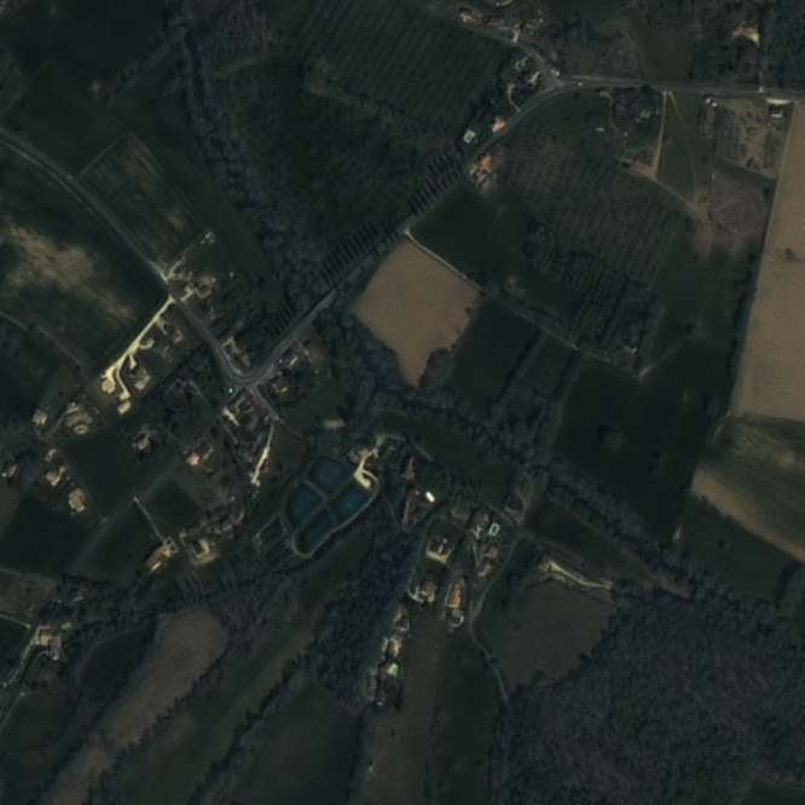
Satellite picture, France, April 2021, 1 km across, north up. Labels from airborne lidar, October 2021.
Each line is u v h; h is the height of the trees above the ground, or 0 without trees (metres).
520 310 23
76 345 0
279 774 0
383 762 0
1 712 17
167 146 0
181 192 0
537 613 0
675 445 0
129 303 0
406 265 0
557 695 18
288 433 14
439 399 24
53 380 0
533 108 0
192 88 12
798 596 25
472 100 12
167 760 0
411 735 0
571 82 0
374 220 7
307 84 24
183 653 0
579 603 0
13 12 0
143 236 0
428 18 8
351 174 10
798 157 0
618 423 0
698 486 0
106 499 0
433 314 0
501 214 0
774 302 0
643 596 12
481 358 0
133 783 0
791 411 0
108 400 0
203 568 0
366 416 20
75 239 0
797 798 0
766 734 21
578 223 14
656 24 14
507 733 18
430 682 0
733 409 0
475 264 0
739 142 7
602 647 8
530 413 0
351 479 0
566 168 16
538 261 29
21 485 13
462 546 6
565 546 0
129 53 0
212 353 6
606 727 16
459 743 0
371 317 0
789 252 7
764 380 0
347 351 29
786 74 22
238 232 0
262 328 13
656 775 21
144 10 0
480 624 0
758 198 0
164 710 0
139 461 8
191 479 0
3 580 0
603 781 13
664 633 21
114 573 0
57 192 0
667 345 0
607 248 20
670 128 0
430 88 13
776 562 0
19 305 0
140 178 0
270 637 0
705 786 23
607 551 0
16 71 8
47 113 0
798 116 0
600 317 16
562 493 25
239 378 0
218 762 0
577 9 0
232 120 12
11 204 0
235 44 30
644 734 22
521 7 0
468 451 0
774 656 16
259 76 8
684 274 0
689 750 17
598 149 0
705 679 20
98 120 0
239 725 0
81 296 0
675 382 0
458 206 0
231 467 13
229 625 15
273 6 0
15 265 0
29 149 0
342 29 7
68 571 0
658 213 9
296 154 7
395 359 14
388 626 20
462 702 0
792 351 0
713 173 0
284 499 0
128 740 0
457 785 0
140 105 0
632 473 0
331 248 8
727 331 0
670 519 0
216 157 20
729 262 0
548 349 0
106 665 0
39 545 0
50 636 0
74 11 0
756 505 0
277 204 10
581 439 0
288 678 7
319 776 0
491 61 11
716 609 20
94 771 0
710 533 0
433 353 0
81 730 0
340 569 0
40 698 0
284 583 11
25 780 0
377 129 11
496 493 0
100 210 0
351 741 0
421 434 0
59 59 0
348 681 17
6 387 0
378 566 8
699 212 0
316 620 0
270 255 17
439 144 28
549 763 14
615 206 15
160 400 8
